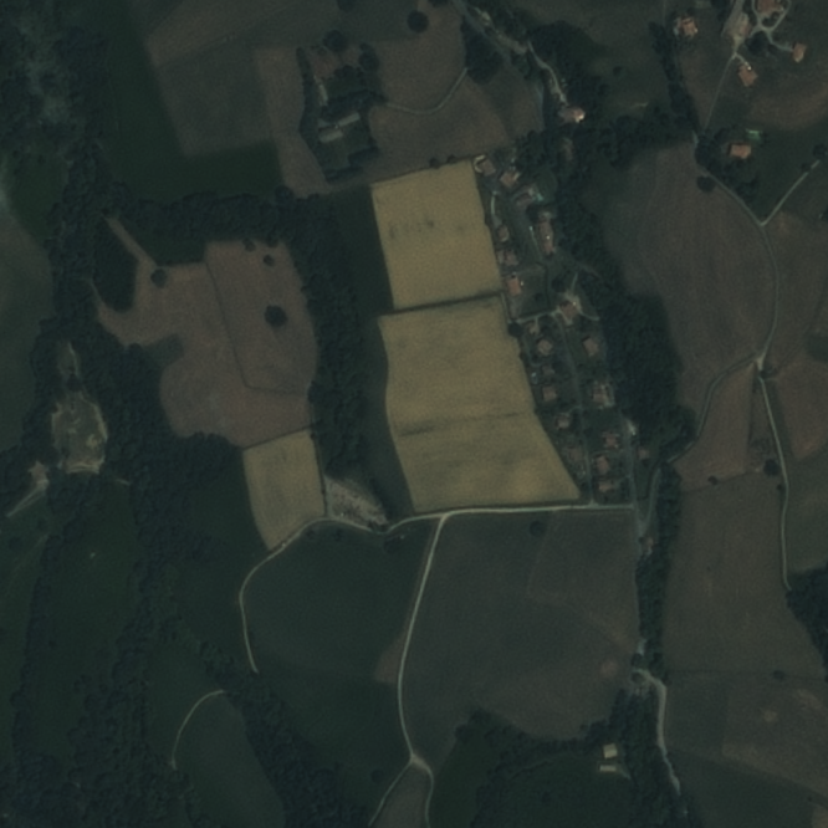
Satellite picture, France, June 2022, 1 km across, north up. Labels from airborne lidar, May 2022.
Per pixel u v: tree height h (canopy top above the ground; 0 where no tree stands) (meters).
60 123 20
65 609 0
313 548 0
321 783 23
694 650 0
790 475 0
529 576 0
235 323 0
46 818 27
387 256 0
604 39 0
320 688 0
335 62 0
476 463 0
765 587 0
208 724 0
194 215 21
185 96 0
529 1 0
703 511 0
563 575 0
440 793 0
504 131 0
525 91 0
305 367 0
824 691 0
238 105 0
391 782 0
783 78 0
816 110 0
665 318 0
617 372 24
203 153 0
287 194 21
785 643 0
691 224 0
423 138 0
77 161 9
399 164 0
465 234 0
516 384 0
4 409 0
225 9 0
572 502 0
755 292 0
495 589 0
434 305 0
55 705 0
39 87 26
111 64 0
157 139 0
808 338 0
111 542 0
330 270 20
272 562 0
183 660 0
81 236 22
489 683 0
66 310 17
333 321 13
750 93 0
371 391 0
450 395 0
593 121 17
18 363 0
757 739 0
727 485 0
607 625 0
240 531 0
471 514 0
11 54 20
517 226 0
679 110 16
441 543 0
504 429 0
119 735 23
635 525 0
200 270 0
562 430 6
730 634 0
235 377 0
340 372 14
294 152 0
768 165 0
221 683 8
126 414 20
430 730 0
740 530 0
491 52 20
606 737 19
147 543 12
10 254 0
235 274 0
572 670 0
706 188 16
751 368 0
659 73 0
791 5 0
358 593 0
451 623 0
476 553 0
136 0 0
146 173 0
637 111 0
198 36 0
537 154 10
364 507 0
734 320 0
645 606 16
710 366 0
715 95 0
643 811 11
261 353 0
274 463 0
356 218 0
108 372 19
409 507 0
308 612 0
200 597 0
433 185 0
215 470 14
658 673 16
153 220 23
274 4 0
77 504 14
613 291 27
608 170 0
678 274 0
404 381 0
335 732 0
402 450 0
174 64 0
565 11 0
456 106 0
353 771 0
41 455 17
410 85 0
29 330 0
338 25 0
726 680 0
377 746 0
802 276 0
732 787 0
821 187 0
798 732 0
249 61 0
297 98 0
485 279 0
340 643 0
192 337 0
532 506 0
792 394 0
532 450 0
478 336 0
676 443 13
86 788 19
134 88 0
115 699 18
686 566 0
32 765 30
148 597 16
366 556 0
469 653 0
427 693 0
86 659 0
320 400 20
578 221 31
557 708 0
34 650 16
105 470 18
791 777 0
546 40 15
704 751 0
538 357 11
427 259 0
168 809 16
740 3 0
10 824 20
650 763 16
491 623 0
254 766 0
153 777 24
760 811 0
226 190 0
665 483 9
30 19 23
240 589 0
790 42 0
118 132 0
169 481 24
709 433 0
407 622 0
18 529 0
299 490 0
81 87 24
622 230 0
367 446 16
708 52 0
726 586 0
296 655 0
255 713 19
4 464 10
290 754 28
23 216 0
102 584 0
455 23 0
